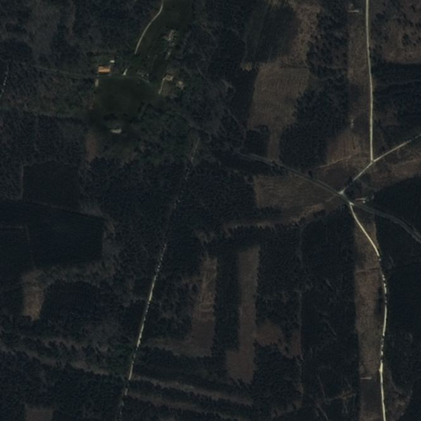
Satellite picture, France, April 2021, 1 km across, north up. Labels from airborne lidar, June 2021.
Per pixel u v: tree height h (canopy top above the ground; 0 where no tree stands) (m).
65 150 15
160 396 10
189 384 8
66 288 10
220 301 18
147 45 0
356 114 0
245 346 0
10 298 21
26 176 11
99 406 20
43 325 19
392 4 12
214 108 16
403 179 0
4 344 0
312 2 7
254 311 0
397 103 14
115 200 17
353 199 16
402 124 15
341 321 14
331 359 15
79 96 18
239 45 11
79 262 12
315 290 9
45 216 8
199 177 18
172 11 0
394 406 11
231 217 21
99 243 10
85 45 11
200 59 12
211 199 19
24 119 10
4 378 12
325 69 7
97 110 0
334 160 0
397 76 18
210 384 11
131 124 9
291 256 19
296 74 0
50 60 16
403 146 0
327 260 15
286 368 21
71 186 9
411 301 13
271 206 0
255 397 21
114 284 8
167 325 22
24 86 19
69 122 18
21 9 9
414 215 11
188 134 18
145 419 17
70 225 10
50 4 15
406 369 15
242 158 12
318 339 10
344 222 14
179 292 8
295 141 16
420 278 12
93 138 0
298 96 0
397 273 12
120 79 0
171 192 22
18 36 8
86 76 19
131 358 9
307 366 12
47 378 9
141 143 10
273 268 19
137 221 22
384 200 11
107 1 15
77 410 16
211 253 18
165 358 21
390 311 13
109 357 10
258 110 0
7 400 19
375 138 0
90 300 10
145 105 13
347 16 14
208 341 0
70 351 0
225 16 19
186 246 20
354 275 19
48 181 10
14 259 10
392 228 12
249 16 18
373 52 17
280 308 20
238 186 19
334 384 10
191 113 14
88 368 0
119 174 23
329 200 0
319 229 10
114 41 12
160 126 19
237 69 11
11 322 17
